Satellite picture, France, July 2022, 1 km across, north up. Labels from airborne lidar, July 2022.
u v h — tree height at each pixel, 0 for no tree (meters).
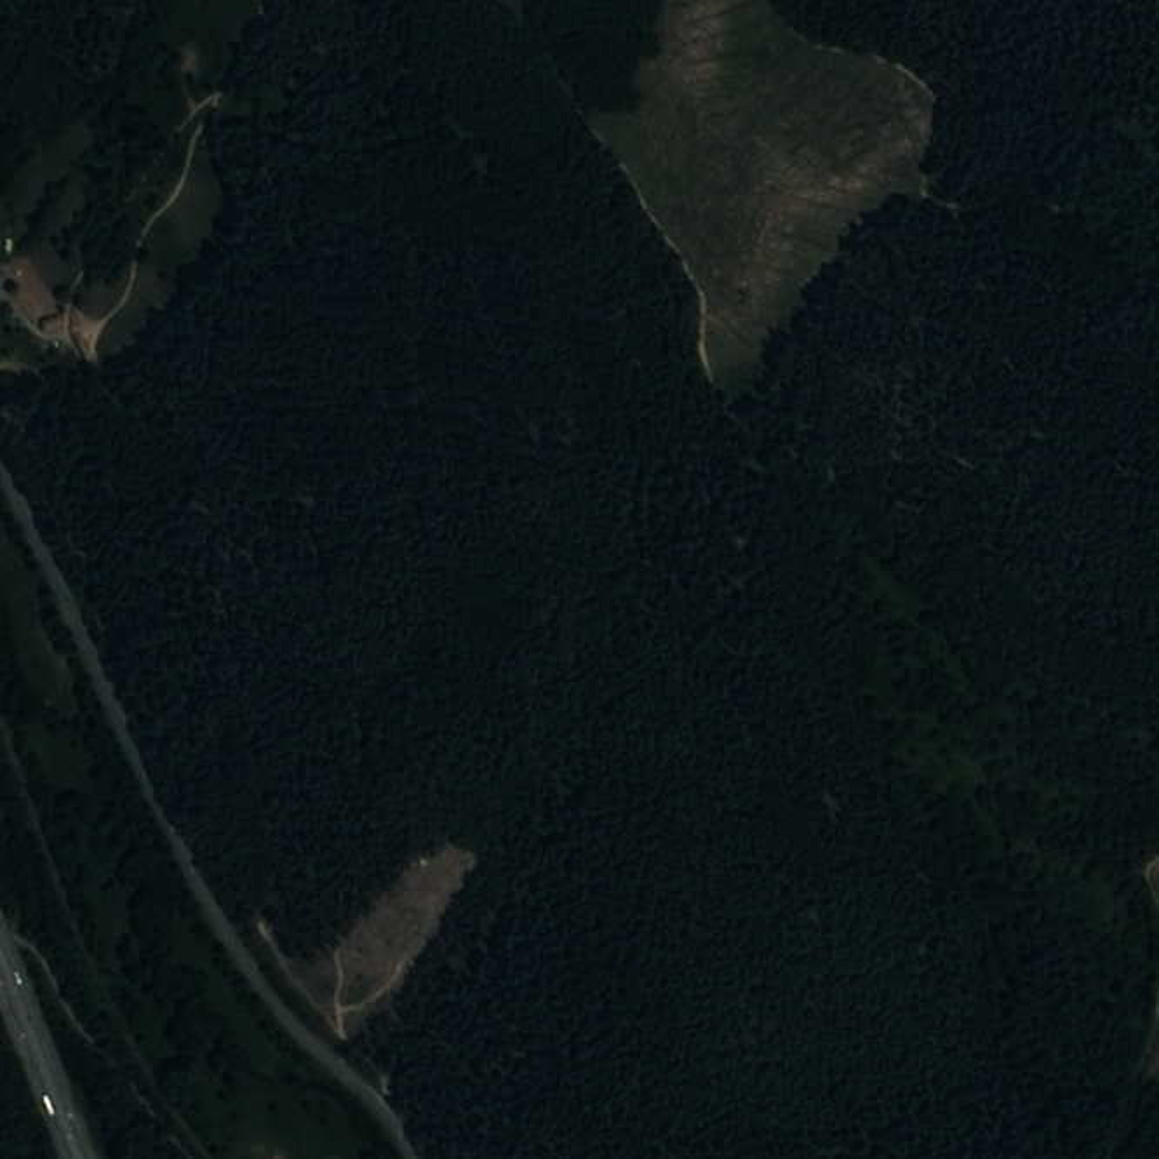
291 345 28
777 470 27
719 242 0
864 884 18
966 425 25
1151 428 30
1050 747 18
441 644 21
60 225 0
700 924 21
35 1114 7
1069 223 17
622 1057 24
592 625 22
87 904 17
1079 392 30
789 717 27
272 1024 7
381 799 23
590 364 22
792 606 28
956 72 29
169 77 19
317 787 22
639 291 26
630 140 0
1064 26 23
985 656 21
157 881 22
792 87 0
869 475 23
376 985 0
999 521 17
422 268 19
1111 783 16
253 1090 0
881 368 26
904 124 0
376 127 23
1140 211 43
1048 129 32
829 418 26
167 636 32
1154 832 18
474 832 19
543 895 18
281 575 27
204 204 0
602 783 21
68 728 10
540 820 14
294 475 24
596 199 28
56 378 19
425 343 21
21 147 18
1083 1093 33
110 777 18
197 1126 7
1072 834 13
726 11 0
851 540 8
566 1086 20
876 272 28
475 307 21
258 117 12
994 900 24
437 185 14
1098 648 26
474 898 22
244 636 21
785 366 37
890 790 25
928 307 24
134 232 16
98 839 9
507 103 26
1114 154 32
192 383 24
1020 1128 25
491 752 15
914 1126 27
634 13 15
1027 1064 26
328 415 21
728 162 0
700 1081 22
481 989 27
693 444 33
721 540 19
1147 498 29
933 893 9
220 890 21
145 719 29
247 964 0
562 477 23
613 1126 18
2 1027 12
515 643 17
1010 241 16
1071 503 31
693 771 18
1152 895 21
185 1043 18
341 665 27
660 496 27
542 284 22
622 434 22
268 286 29
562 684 21
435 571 28
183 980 18
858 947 17
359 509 22
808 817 21
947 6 25
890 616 5
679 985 21
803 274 0
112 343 0
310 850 25
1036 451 30
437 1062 21
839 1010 20
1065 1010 37
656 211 0
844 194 0
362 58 28
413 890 0
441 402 17
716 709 21
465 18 24
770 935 16
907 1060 22
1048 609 17
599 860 23
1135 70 27
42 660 0
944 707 18
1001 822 9
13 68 30
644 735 17
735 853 21
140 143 15
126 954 19
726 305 0
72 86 12
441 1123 16
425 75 24
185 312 26
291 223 12
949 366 29
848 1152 7
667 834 18
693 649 24
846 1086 23
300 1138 0
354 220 19
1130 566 25
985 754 11
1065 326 29
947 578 16
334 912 25
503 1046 25
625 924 21
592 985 22
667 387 23
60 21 20
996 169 32
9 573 0
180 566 22
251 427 23
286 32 26
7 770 25
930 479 24
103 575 22
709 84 0
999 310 29
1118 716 24
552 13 16
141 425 19
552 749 25
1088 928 7
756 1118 21
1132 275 19
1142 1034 18
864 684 21
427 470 23
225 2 0
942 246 31
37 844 19
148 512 20
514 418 20
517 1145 24
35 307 0
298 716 20
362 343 31
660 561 33
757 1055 17
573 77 16
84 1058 20
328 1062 0
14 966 0
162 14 15
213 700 26
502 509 24
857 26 31
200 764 23
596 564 21
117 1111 31
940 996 19
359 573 27
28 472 32
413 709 20
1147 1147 21
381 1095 0
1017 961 20
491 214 16
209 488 24
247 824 29
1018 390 27
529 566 20
